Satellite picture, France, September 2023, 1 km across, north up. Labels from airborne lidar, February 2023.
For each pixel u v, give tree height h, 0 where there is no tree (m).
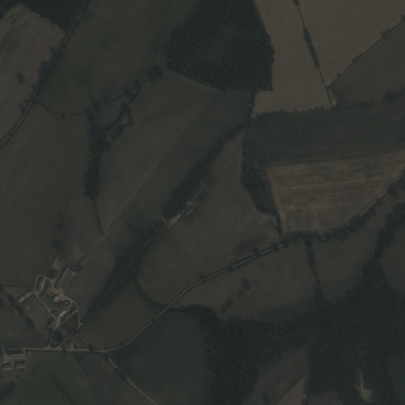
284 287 0
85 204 0
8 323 0
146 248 17
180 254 0
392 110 0
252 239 0
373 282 18
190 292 0
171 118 0
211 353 11
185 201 16
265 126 0
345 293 0
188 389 0
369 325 25
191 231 0
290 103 0
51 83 0
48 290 0
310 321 19
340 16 0
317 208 0
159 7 0
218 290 0
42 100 0
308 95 0
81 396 0
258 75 18
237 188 0
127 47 0
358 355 20
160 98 0
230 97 0
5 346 0
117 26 0
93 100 0
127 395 0
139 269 0
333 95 0
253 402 0
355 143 0
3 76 0
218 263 0
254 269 0
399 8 0
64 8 19
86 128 0
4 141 0
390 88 0
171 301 0
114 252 0
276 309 0
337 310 15
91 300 0
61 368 0
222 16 20
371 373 16
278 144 0
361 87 0
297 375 0
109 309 0
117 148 0
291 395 0
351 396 20
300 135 0
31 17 0
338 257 0
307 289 0
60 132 0
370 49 0
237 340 21
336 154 0
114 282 14
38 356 0
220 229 0
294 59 0
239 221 0
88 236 0
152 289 0
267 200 0
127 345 0
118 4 0
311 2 0
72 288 0
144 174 0
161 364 0
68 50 0
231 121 0
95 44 0
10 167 0
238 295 0
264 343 22
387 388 21
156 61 0
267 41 10
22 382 0
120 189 0
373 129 0
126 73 0
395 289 0
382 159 0
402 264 0
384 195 0
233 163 0
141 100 0
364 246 0
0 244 0
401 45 0
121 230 0
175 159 0
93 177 26
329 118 0
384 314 26
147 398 0
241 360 24
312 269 17
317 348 27
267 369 0
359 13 0
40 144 0
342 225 0
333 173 0
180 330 0
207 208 0
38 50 0
